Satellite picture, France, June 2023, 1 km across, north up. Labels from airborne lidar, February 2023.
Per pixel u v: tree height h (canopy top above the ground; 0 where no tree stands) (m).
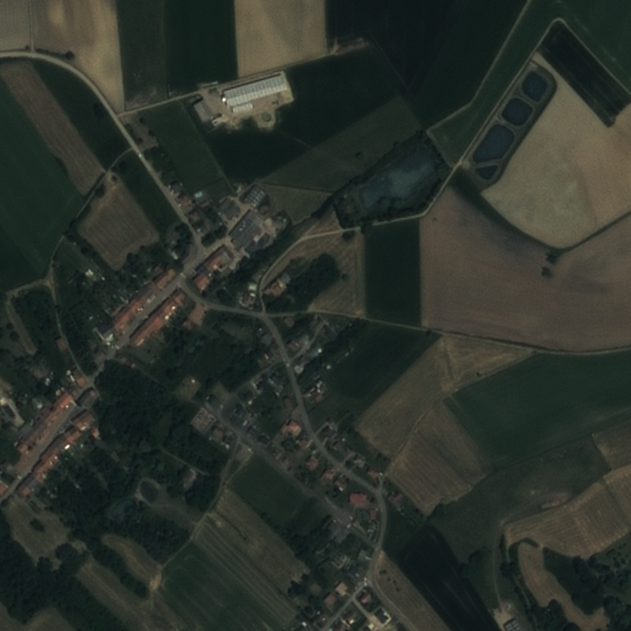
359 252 0
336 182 0
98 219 0
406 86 0
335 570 0
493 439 0
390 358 0
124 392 7
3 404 0
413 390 0
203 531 0
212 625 0
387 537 0
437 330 0
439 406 0
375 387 0
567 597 0
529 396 0
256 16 0
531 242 0
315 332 0
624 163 0
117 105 0
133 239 0
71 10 0
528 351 0
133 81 0
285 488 0
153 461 13
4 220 0
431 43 0
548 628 11
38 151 0
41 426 0
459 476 0
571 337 0
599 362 0
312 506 0
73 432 0
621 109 0
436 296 0
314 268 7
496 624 0
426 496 0
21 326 0
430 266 0
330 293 0
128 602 0
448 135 0
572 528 0
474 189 0
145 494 0
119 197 0
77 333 7
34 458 0
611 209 0
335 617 0
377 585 0
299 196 0
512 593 0
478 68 0
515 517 0
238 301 0
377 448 0
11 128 0
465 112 0
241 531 0
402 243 0
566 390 0
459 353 0
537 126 0
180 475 10
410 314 0
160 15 0
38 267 0
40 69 0
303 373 6
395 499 0
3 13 0
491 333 0
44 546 0
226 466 0
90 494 12
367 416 0
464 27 0
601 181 0
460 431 0
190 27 0
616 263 0
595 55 0
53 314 0
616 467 0
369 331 0
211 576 0
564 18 0
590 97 0
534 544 0
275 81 7
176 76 0
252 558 0
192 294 0
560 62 0
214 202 0
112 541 0
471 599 0
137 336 0
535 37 0
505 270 0
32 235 0
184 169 0
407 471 0
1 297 11
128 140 0
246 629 0
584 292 0
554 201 0
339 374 0
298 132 0
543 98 0
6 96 0
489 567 0
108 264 0
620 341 0
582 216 0
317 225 0
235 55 0
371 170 0
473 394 0
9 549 17
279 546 0
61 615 0
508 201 0
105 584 0
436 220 0
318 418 0
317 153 0
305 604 0
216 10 0
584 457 0
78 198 0
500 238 0
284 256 0
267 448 0
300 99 0
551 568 0
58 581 21
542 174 0
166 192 0
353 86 0
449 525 0
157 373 0
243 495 0
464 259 0
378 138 0
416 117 0
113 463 8
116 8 0
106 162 0
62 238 0
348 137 0
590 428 0
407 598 0
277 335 0
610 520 0
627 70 0
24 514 0
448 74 0
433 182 0
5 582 7
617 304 0
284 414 0
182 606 0
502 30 0
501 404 0
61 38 0
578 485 0
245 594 0
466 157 0
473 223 0
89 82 0
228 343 0
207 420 0
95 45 0
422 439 0
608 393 0
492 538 0
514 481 0
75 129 0
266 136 0
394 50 0
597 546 0
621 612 21
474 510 0
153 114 0
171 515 0
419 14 0
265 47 0
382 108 0
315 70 0
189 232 7
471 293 0
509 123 0
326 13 0
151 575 0
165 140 0
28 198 0
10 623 0
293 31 0
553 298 0
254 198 0
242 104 6
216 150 0
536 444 0
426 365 0
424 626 0
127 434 12
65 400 0
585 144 0
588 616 0
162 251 0
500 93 0
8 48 0
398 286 0
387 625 0
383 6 0
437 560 0
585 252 0
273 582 0
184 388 0
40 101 0
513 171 0
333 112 0
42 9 0
